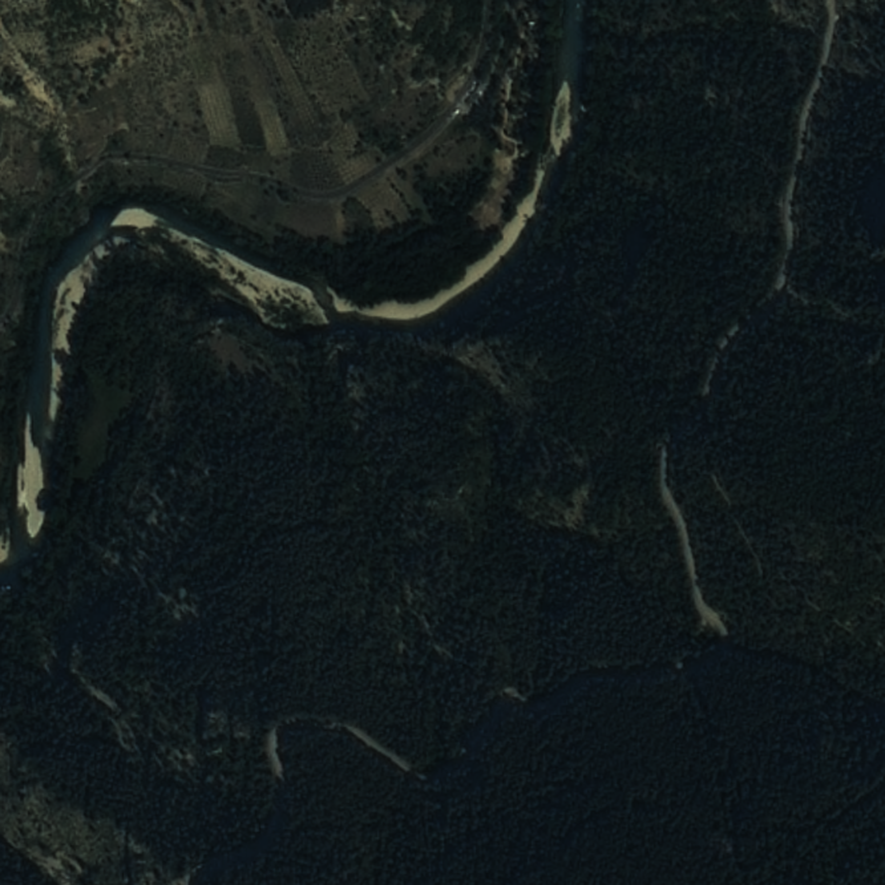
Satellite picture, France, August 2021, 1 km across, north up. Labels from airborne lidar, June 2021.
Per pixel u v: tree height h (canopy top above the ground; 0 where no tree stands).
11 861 15
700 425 10
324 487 9
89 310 10
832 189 12
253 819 11
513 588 12
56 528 5
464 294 0
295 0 16
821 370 9
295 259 18
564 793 30
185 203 15
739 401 11
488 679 13
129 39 6
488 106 22
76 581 7
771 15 8
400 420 16
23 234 17
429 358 8
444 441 9
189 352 6
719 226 10
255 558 14
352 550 15
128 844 8
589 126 19
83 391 27
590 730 22
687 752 32
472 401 9
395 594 19
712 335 7
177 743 12
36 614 11
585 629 17
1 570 0
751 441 8
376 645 8
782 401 12
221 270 0
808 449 6
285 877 18
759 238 7
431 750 9
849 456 7
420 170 13
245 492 8
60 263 0
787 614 13
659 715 27
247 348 6
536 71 18
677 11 6
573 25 0
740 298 8
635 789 24
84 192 7
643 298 6
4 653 9
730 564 14
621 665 13
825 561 6
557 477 8
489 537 10
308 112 0
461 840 22
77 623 9
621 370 11
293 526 9
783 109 5
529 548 17
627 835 29
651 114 8
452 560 9
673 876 31
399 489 6
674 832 25
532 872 30
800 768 18
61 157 7
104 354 8
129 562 11
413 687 19
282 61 0
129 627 9
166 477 9
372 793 16
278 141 0
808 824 15
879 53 9
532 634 16
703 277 12
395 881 25
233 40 0
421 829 24
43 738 9
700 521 11
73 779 13
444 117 0
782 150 9
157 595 10
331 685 13
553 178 0
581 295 10
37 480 0
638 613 18
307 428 6
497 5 16
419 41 6
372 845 19
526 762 26
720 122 9
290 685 15
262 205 0
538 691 12
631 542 14
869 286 8
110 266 6
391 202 0
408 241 13
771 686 29
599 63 12
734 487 6
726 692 27
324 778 20
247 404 17
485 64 14
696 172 8
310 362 10
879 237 7
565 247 8
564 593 10
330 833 8
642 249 6
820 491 6
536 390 8
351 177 0
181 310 7
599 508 7
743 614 12
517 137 11
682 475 10
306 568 11
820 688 26
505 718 21
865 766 18
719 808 30
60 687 12
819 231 11
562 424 8
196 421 7
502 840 30
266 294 0
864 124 17
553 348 8
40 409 0
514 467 10
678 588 7
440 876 28
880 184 10
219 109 0
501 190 0
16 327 8
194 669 13
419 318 0
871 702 7
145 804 11
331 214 0
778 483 6
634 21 6
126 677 6
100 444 0
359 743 20
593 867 31
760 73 6
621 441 7
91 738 6
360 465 6
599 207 9
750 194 7
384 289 25
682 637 14
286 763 16
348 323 0
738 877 23
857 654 7
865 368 11
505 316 8
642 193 7
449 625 6
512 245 0
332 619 7
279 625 12
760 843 28
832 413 10
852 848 8
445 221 21
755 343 6
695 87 8
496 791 25
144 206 0
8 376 10
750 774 22
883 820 11
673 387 7
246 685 6
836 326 8
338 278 20
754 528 9
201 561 10
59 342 0
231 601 16
